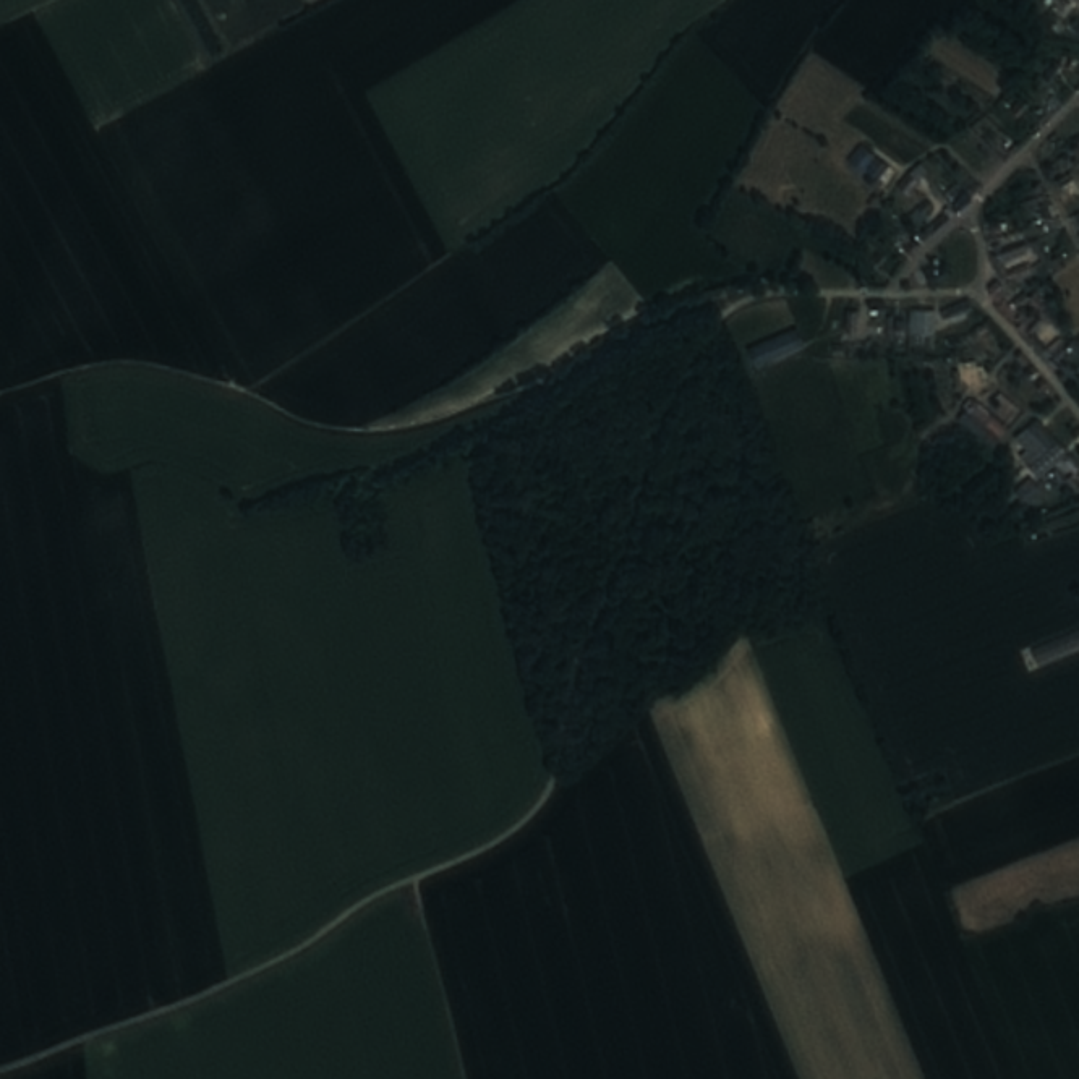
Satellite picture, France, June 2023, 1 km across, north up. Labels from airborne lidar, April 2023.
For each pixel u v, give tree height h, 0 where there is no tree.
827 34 0
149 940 0
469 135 0
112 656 0
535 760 0
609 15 0
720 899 0
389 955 0
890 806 0
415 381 0
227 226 0
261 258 0
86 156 0
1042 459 0
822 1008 0
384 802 0
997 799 0
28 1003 0
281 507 13
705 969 0
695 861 0
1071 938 0
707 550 19
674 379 20
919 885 0
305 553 0
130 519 0
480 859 0
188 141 0
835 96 0
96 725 0
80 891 0
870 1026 0
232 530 0
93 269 0
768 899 0
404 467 13
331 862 0
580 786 0
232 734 0
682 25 0
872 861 0
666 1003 0
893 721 0
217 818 0
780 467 12
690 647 25
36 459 0
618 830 0
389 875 0
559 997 0
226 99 0
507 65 0
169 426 0
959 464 13
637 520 14
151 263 0
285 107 0
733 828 0
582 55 0
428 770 0
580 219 0
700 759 0
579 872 0
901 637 0
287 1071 0
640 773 0
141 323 0
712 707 0
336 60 0
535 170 0
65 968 0
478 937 0
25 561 0
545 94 0
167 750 0
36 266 0
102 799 0
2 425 0
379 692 0
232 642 0
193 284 0
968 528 0
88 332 0
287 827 0
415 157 0
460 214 0
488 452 20
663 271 0
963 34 9
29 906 0
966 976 0
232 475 0
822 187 0
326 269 0
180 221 0
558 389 20
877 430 0
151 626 0
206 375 0
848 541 0
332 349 0
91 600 0
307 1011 0
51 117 0
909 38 0
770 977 0
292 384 0
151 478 0
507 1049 0
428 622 0
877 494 0
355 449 0
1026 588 0
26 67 0
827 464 0
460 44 0
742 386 19
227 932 0
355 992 0
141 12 0
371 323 0
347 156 0
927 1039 0
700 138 0
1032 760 0
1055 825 0
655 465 23
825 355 0
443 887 0
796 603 19
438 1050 0
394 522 0
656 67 7
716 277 0
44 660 0
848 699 0
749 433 23
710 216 15
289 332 0
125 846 0
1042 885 0
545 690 20
